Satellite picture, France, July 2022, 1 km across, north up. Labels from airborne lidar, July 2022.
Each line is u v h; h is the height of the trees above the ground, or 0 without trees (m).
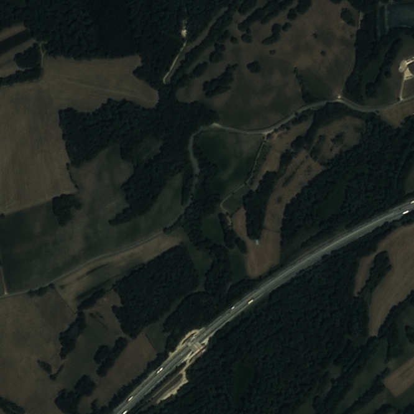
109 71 0
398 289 0
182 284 17
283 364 19
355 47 12
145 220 0
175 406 19
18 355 0
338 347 23
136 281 19
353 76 13
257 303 0
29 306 0
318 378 18
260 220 17
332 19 0
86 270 0
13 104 0
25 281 0
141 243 0
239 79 0
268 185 18
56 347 0
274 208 0
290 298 19
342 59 0
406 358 0
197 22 23
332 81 0
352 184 23
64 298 0
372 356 8
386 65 15
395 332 18
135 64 0
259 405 18
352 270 16
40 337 0
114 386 0
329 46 0
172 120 21
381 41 22
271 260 0
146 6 29
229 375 22
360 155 22
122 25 6
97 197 0
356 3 25
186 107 19
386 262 11
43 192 0
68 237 0
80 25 29
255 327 19
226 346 22
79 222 0
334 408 20
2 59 0
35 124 0
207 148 0
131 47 10
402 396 0
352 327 22
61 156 0
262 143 6
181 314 14
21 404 0
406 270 0
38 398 0
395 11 0
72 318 0
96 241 0
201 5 20
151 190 20
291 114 0
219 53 16
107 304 0
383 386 12
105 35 10
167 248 0
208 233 0
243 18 0
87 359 0
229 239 18
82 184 0
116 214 0
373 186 15
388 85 0
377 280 8
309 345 19
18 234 0
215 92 13
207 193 16
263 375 19
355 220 9
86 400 0
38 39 24
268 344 21
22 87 0
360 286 0
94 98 0
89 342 0
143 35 27
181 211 0
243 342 25
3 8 20
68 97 0
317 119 13
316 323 19
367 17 18
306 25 0
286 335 20
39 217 0
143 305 16
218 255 21
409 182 0
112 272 0
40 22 24
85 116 24
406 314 0
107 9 7
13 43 0
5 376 0
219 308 14
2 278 0
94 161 0
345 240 0
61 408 22
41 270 0
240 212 0
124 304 20
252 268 0
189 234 12
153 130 19
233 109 0
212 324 0
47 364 13
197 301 23
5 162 0
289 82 0
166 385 0
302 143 13
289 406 22
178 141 18
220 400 24
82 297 0
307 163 0
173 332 17
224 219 16
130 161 10
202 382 15
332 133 0
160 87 18
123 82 0
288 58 0
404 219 9
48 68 0
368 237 14
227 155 0
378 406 0
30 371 0
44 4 28
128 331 19
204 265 0
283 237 17
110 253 0
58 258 0
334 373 0
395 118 0
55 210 16
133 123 20
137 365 0
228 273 19
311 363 19
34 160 0
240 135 0
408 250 0
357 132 0
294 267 0
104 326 0
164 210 0
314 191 22
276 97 0
